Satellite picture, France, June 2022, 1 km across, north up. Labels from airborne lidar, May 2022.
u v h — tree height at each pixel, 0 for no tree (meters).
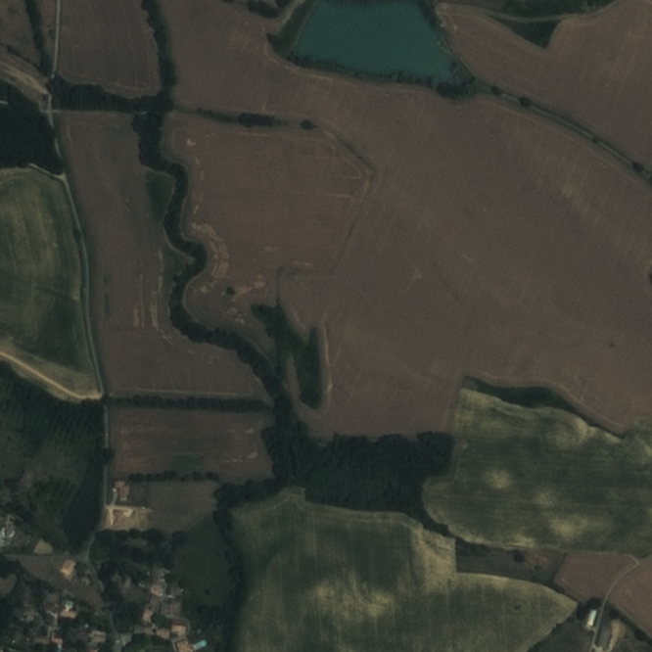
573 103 0
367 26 0
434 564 0
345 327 0
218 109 0
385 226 0
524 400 8
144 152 15
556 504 0
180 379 0
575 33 0
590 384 0
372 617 0
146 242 0
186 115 0
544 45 6
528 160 0
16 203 0
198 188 0
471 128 0
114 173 0
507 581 0
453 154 0
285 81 0
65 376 0
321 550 0
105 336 0
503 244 0
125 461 0
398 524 0
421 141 0
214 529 0
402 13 0
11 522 8
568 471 0
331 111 0
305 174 0
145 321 0
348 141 0
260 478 0
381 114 0
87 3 0
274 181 0
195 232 0
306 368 6
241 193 0
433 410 0
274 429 10
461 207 0
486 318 0
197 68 0
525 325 0
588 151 0
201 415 0
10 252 0
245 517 0
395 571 0
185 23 0
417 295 0
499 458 0
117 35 0
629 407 0
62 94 25
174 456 0
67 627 16
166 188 0
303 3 0
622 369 0
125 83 0
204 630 8
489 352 0
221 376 0
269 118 10
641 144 0
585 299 0
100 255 0
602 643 0
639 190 0
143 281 0
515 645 0
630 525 0
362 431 0
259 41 0
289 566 0
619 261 0
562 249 0
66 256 0
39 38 17
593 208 0
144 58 0
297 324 0
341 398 0
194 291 0
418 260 0
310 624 0
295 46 0
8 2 0
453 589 0
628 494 0
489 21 0
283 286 0
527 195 0
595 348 0
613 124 0
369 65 0
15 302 0
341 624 0
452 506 0
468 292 0
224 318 0
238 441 0
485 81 0
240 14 0
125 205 0
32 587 7
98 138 0
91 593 0
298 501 0
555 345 0
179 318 11
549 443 0
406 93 0
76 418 9
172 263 0
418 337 0
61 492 6
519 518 0
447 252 0
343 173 0
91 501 11
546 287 0
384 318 0
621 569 0
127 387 0
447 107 0
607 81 0
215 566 0
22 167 16
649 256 0
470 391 0
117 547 7
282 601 0
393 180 0
